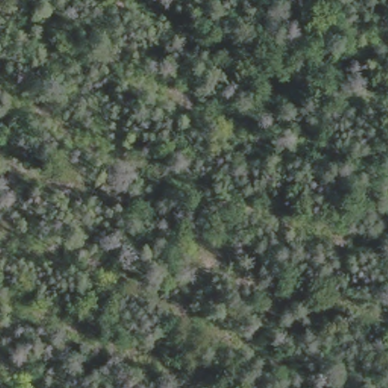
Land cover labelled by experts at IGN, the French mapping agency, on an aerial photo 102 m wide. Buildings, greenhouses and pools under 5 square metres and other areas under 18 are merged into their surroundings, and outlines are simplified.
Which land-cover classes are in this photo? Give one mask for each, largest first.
<instances>
[{"label":"coniferous trees","instance_id":"1","mask_svg":"<svg viewBox=\"0 0 388 388\"><path fill-rule=\"evenodd\" d=\"M321 0H0V388H185L183 385L191 379L194 370H188L185 350L171 346L170 341L162 333L159 326L162 314H174L180 323H188L189 329L199 327L202 330V343L208 350L205 355L206 361L211 362L215 350L223 346L235 347L247 358H252L256 364L242 379V382L249 383L252 388H388V364L365 368V362L361 359L344 358L343 364L335 365V362L330 361L326 355L317 356L311 352H302L300 355L289 356L279 361L274 356V346L285 341L288 327L294 321L300 320L303 324H309L311 320L308 309L299 303L296 311L283 315L279 323H273L265 318V311H256L252 303H255L256 294H267L273 277L282 280L285 273L293 268L300 274L305 271L312 280L320 277V274L346 276L349 285L338 289L339 297L335 305L347 309L350 315L361 317L362 321L371 324L370 333L365 335L367 343H376L379 339L383 341L388 333V159H385L382 170L379 171L383 176L382 191H367V174H362L353 185H350L344 176L359 167L361 158L370 155L371 145L376 144V139L385 135L382 130V118L388 115V0H341L350 9L347 21L355 27V38H361L362 48H358L353 55H344L346 45L343 44V30L332 26L324 33L323 59L330 61L333 58L338 61L336 68L343 71V77L339 79L336 89L346 95L347 106L338 114H324V108L335 102V97L327 95L323 86H315V94L309 97L303 108H294L293 103H289L283 95L270 91L264 108L250 111L256 94L255 79L252 76H244L242 79H236L235 76L238 62L249 61L258 50L259 41L255 39L253 26L264 27L277 39V44H285L286 39L297 38L300 30L305 27L311 30L317 27L312 21L314 6ZM197 15H203L206 20L212 17L214 24L220 27L223 38L211 45L199 44L197 41L202 32L194 27L192 18ZM220 52H227L229 61L226 65H220L217 70H211L206 79L202 76L205 65L200 64V58H215ZM180 135H185L186 141L196 152L191 162L186 161L180 152L177 153V161L170 153L162 156L159 152L161 145L176 141ZM64 145L71 147L68 161L77 173L67 183L52 182L39 191L35 188L36 179L42 177V174L36 168H44L45 162L55 158L56 153L64 149ZM232 188L238 192L246 191L247 197L244 202L249 206L267 194L270 200L268 206L273 214L270 220H265L268 224V232H264L267 244L259 241V236H255L250 244L242 247V253H236L232 242L223 241L221 246H214L205 238V233L209 232L212 226V215L229 211V191ZM352 192H364L374 203L373 211L365 212L355 224L347 226L346 223H339L338 229H329L326 223L320 221L305 223L299 227H288L285 224L283 217H294L296 205L303 197L323 196L324 202L335 209ZM136 202L150 203L153 208L152 221L144 229L141 221L130 220ZM183 220H191L194 242L189 246L188 256H183V259L177 262V268L182 273L176 277L182 285L174 286L170 293H165L164 289H159V285L167 276L165 265L170 264L168 253L171 247L179 242L180 223ZM45 261L52 262L53 277L64 273L71 265L83 273L79 277V291L71 293V303L88 299L92 291L97 297V308L91 309L86 318L80 320L79 315L68 312L65 294H59L58 299L53 302L58 305L59 314L58 317H52L50 326L53 330H50L48 335H42L44 329H38L35 324L44 318V312L35 311L30 306L35 302L38 293L30 289L27 293L15 294L14 297H9L8 294L9 286L17 283L21 274H29L32 279H36L35 267H38L41 273H45ZM121 288L129 297L126 303L120 306L118 315L132 318L133 321L130 324L132 332L129 333L132 336L133 347L127 353L117 350L114 343L108 344L106 350L102 349V344L97 341L102 336L100 318L105 314L112 296Z\"/></svg>","mask_w":388,"mask_h":388},{"label":"deciduous trees","instance_id":"2","mask_svg":"<svg viewBox=\"0 0 388 388\"><path fill-rule=\"evenodd\" d=\"M350 9L341 0H321L314 6L312 21L317 27L311 30L305 27L300 30L297 38L286 39L285 44H277V39L264 27L253 26L255 39L259 41L258 50L249 61L238 62L235 76L236 79H242L244 76H252L255 79L256 94L250 111L264 108L270 91L283 95L289 103H293L294 108H303L309 97L315 94V86H323L327 95L335 97V102L324 108V114H338L347 106L346 95L336 89L339 79L343 77V71L336 68L338 61L333 58L330 61L323 59L324 33L332 26L343 30V44L346 45L344 55H353L358 48H362L361 38H355V27L347 21ZM192 18L194 27L202 32L197 41L199 44L211 45L223 38L220 27L214 24L212 17L206 20L203 15H197ZM229 61L227 52H220L215 58H200V64L205 65L202 76L206 79L211 70H217L220 65H226ZM382 130L385 135L376 139V144L371 145L370 155L361 158L359 167L344 176L350 185H353L362 174H367V191H382L383 176L379 171L382 170L385 159H388V115L382 118ZM159 152L162 156L170 153L177 161V153L180 152L186 161L191 162L196 152L186 141L185 135H180L176 141L161 145ZM71 147L64 145V149L56 153L55 158L45 162L44 168H36L42 174V177L36 179L35 188L39 191L52 182L67 183L77 173L68 161ZM229 211L212 215V226L209 232L205 233V238L214 246H221L223 241L232 242L236 253H242V247L250 244L255 236H259V241L267 244L264 232H268V224L265 220H270L273 214L268 206L270 200L267 194L249 206L244 202L247 197L246 191L238 192L232 188L229 191ZM374 203L364 192H352L335 209L324 202L323 196L303 197L296 205L294 217H283L285 224L288 227H299L305 223L320 221L326 223L329 229H338L339 223H346L347 226L355 224L365 212L373 211ZM153 208L150 203L136 202L130 220L141 221L144 229L152 221ZM179 242L171 247L168 253L170 264L165 265L167 276L159 285V289H164L165 293H170L174 286L182 285L176 277L182 273L177 268V262L183 259V256H188L189 246L194 242L191 220H183L180 223ZM45 273H41L38 267H35L36 279H32L29 274H21L17 283L9 286L8 294L9 297H14L15 294L27 293L30 289L38 293L35 302L30 306L35 311L44 312V318L35 324L38 329H44L42 335H48L50 330H53L50 326L52 317H58L59 314L58 305L53 302L58 299L59 294H65L68 312L79 315L80 320L86 318L91 309L97 308V297L92 291L88 299L71 303V293L79 291V277L83 273L71 265L64 273L53 277L52 262L45 261ZM349 285L346 276L320 274V277L312 280L305 271L300 274L293 268L285 273L282 280L273 277L267 294H256L255 303H252L256 311H265V318L273 323H279L283 315L296 311L299 303L308 309L311 320L309 324H303L300 320L294 321L288 327L285 341L274 346V356L279 361L289 356L300 355L302 352H311L317 356L326 355L330 361L335 362V365L343 364L344 358L361 359L365 362V368L388 364V333L383 341L379 339L376 343H367L365 335L370 333L371 324L362 321L361 317L350 315L347 309L335 305L339 297L338 289ZM129 297L121 288L112 296L105 314L100 318L102 336L97 341L102 344V349L106 350L108 344L114 343L117 350L127 353L133 347L132 336L129 333L132 332L130 324L133 321L132 318L118 315L120 306L126 303ZM159 326L162 333L170 341L171 346L185 350L188 370H194L191 379L183 385L185 388H252L249 383L242 382V379L256 364L252 358H247L235 347L223 346L215 350L211 362L206 361L205 355L208 350L202 343V330L199 327L189 329L188 323H180L174 314H162Z\"/></svg>","mask_w":388,"mask_h":388}]
</instances>
